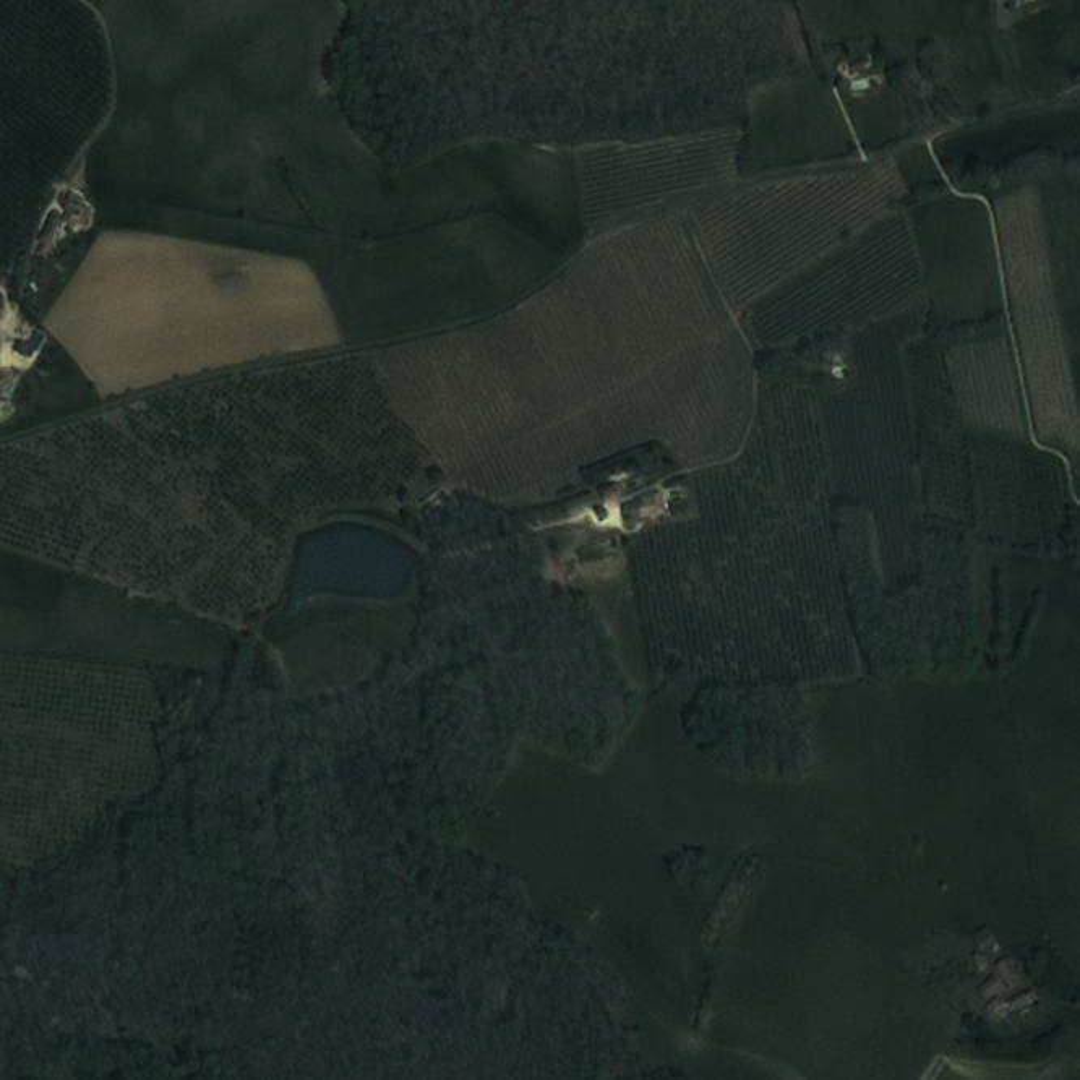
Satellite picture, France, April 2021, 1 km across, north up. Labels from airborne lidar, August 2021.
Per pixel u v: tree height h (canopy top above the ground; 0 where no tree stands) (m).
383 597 0
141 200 0
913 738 0
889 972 0
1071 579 0
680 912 0
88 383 0
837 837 0
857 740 0
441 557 19
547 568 14
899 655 24
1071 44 0
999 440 0
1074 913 0
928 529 7
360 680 0
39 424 0
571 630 19
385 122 20
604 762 11
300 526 0
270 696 20
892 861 0
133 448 6
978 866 0
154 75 0
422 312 0
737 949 0
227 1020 19
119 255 0
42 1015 20
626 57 13
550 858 0
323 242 0
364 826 20
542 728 19
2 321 0
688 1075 0
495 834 0
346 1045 18
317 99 0
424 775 22
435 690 19
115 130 0
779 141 0
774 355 15
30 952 22
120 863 14
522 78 11
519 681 18
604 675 21
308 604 0
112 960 17
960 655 22
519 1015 21
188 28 0
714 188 0
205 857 20
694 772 0
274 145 0
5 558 0
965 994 0
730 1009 0
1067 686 0
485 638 17
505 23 17
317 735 25
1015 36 0
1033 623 9
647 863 0
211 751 22
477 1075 21
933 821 0
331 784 22
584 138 16
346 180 0
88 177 0
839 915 0
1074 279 0
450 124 14
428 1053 19
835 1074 0
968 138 0
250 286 0
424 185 0
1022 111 0
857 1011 0
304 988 18
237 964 24
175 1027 24
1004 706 0
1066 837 0
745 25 14
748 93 12
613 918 0
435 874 14
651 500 0
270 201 0
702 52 14
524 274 0
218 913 25
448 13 16
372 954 18
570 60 14
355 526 0
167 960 25
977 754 0
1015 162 14
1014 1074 0
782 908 0
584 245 0
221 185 0
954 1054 0
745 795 0
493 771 17
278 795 16
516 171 0
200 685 22
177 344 0
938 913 0
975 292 0
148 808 6
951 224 0
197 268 0
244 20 0
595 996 15
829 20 0
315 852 21
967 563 18
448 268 0
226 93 0
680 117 14
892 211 12
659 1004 0
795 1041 0
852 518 23
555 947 22
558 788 0
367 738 21
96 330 0
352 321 0
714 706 21
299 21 0
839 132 0
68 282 0
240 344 0
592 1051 21
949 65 12
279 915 22
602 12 18
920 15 0
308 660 0
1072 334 0
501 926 15
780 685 17
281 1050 17
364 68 11
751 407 0
